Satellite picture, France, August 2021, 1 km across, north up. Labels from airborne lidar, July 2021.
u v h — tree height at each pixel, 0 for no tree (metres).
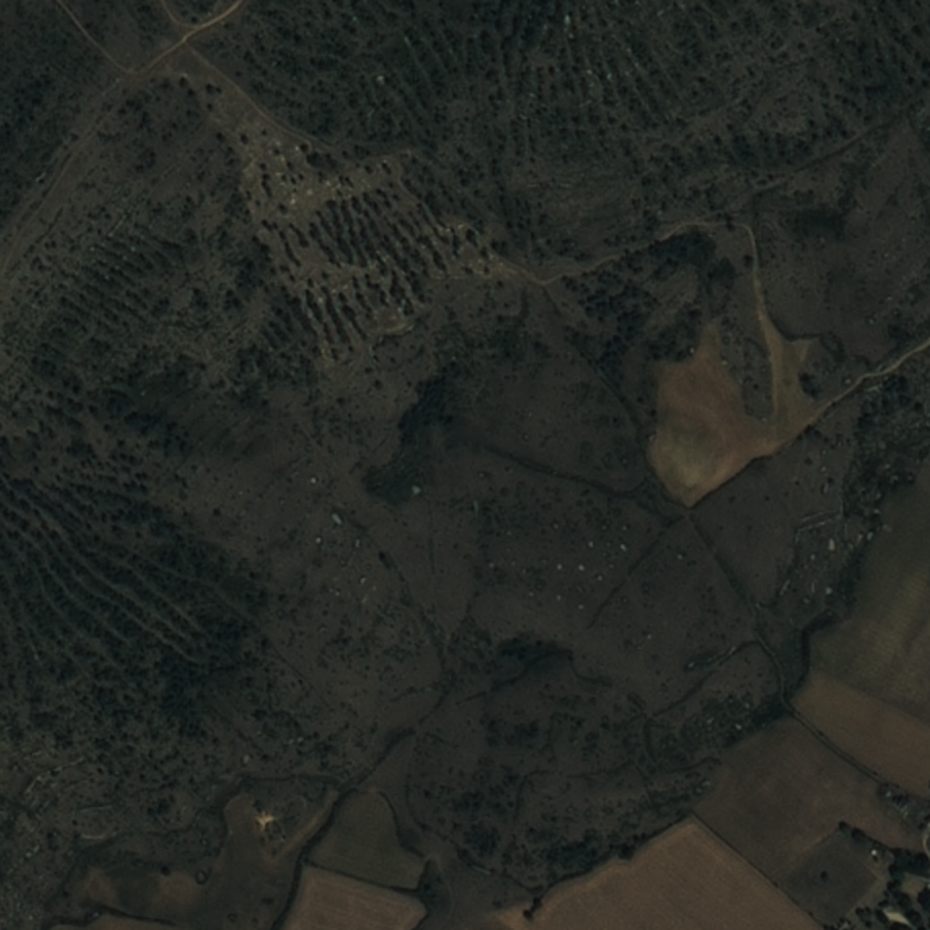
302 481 0
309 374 8
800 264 0
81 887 0
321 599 0
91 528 11
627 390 0
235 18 0
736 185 0
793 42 0
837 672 0
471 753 0
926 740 0
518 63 0
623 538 0
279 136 0
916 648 0
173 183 0
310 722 0
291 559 0
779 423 0
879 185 0
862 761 0
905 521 0
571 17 7
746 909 0
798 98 0
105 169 0
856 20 10
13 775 0
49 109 0
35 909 0
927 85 12
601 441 0
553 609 0
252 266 11
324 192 0
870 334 0
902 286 0
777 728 0
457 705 0
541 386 0
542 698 0
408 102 6
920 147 0
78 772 0
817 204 0
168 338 0
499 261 0
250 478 0
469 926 0
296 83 0
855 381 0
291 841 0
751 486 0
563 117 7
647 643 0
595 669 0
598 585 0
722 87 0
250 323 0
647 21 0
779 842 0
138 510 11
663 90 7
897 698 0
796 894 0
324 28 0
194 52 0
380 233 11
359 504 0
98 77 0
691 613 0
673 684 0
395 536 0
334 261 10
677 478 0
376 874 0
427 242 10
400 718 0
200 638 8
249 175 0
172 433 9
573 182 0
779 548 0
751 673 0
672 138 0
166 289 0
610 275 7
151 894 0
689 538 0
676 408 0
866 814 0
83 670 0
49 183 0
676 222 0
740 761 0
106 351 6
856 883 0
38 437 11
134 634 6
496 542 0
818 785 0
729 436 0
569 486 0
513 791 0
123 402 14
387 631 0
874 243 0
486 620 0
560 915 0
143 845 0
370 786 0
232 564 0
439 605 0
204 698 6
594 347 0
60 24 0
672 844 0
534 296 0
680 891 0
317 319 12
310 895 0
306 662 0
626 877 0
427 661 0
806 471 0
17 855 0
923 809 0
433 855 0
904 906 13
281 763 0
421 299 8
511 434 0
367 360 0
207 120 0
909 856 12
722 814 0
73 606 8
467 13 0
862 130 0
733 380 0
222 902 0
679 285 0
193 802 0
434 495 0
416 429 10
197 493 0
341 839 0
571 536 0
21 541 10
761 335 0
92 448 7
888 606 0
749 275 0
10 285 0
